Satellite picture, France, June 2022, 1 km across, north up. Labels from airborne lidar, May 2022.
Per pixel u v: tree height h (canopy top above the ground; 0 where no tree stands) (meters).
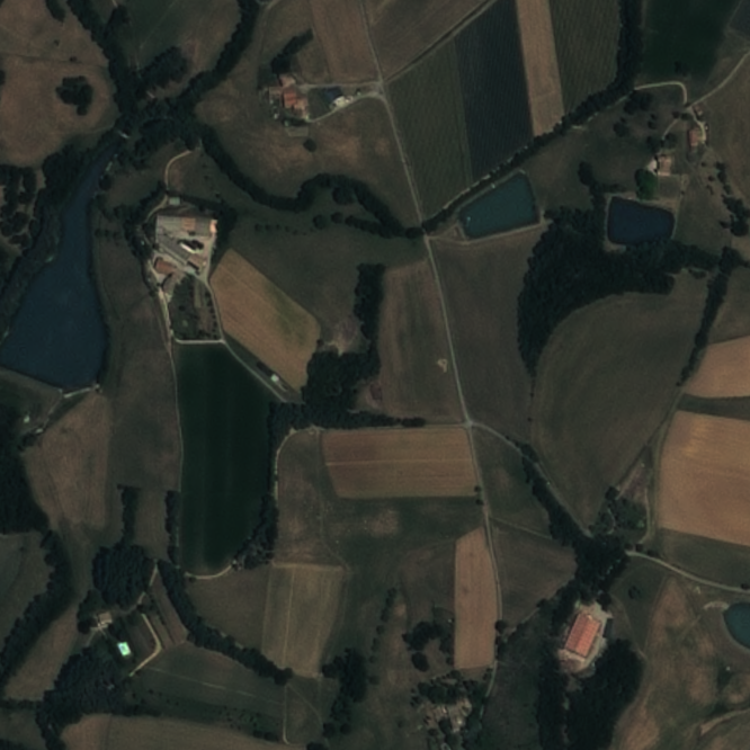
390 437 0
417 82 0
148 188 0
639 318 0
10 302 25
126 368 0
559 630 10
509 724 8
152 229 7
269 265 0
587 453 0
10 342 0
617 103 25
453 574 0
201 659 0
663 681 0
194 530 0
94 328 0
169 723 0
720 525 0
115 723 0
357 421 24
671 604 0
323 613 0
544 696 13
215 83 18
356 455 0
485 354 0
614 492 9
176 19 0
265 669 16
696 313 0
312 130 0
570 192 0
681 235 0
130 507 13
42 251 20
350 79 0
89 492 0
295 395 0
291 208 12
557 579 0
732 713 0
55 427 0
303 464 0
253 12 24
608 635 0
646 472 0
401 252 0
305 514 0
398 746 0
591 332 0
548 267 15
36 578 0
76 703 25
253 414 0
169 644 0
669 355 0
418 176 0
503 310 0
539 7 0
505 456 0
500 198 0
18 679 0
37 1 0
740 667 0
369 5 0
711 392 0
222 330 0
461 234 0
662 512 0
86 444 0
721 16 0
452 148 0
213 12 0
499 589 0
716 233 0
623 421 0
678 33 0
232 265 0
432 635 18
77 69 0
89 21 22
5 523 21
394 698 0
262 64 0
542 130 0
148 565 27
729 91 0
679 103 0
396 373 0
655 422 0
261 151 0
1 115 0
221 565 0
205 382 0
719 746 0
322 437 0
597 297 13
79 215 0
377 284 11
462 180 0
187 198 13
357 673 20
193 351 0
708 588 0
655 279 14
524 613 0
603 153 0
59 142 0
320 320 0
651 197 13
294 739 0
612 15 0
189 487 0
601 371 0
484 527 0
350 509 0
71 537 0
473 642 0
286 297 0
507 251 0
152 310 0
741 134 0
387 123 0
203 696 0
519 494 0
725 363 0
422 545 0
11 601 0
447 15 0
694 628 0
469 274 0
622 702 7
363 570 0
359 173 0
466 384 0
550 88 0
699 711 0
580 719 11
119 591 34
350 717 10
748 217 8
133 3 0
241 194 0
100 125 0
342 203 20
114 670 30
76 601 0
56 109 0
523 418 0
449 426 0
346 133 0
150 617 6
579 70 0
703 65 0
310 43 0
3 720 0
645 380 0
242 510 0
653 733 0
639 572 0
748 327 0
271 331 0
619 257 16
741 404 0
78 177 11
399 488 0
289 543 0
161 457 0
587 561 8
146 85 17
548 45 0
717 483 0
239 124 0
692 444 0
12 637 19
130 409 0
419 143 0
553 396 0
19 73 0
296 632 0
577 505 0
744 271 0
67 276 0
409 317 0
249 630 0
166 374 0
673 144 14
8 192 15
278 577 0
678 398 0
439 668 0
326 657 0
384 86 0
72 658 0
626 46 13
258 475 0
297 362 0
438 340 0
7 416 23
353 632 0
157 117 27
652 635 0
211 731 0
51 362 0
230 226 19
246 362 0
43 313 0
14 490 26
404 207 0
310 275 0
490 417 0
